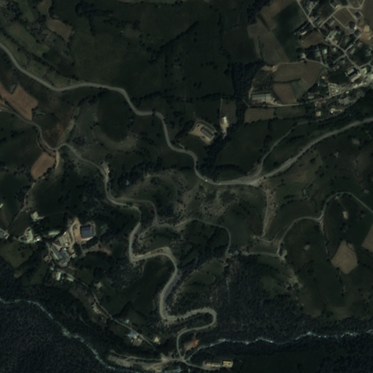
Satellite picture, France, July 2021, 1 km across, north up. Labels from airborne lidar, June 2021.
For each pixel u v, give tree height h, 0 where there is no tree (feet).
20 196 37
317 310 0
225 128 0
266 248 0
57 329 23
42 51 0
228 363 0
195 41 40
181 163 0
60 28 0
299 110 0
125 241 31
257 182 0
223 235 0
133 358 0
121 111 0
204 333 37
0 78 0
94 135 0
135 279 29
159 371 0
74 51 0
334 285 0
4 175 0
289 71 0
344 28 0
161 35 0
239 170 56
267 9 0
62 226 24
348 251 0
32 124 0
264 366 0
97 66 0
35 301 21
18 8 24
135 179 42
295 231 0
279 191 0
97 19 0
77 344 26
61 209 0
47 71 0
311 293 0
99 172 21
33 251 32
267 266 29
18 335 31
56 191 0
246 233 0
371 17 0
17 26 0
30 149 0
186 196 0
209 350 26
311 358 0
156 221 0
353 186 0
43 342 31
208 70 0
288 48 0
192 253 38
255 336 36
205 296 25
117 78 0
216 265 0
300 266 0
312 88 43
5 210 0
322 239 0
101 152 0
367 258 0
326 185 0
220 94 32
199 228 0
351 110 52
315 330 42
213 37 0
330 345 63
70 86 0
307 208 0
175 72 0
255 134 0
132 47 0
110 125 0
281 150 0
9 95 0
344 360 96
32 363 66
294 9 0
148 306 0
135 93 0
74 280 36
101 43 0
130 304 36
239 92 68
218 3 0
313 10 22
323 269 0
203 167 49
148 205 0
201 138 0
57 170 0
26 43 0
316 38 0
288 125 0
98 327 35
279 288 0
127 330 20
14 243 0
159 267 0
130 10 0
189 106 0
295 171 0
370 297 23
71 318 45
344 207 0
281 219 0
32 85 0
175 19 0
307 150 26
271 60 0
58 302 51
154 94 35
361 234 0
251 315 34
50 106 0
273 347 40
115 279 41
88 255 39
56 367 39
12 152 0
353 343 72
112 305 0
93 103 35
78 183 0
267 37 0
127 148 0
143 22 0
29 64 0
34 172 0
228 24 0
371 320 29
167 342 42
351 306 0
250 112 0
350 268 0
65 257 0
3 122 0
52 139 0
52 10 41
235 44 0
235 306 26
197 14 0
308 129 0
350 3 0
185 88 0
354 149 0
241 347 49
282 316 37
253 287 32
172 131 0
